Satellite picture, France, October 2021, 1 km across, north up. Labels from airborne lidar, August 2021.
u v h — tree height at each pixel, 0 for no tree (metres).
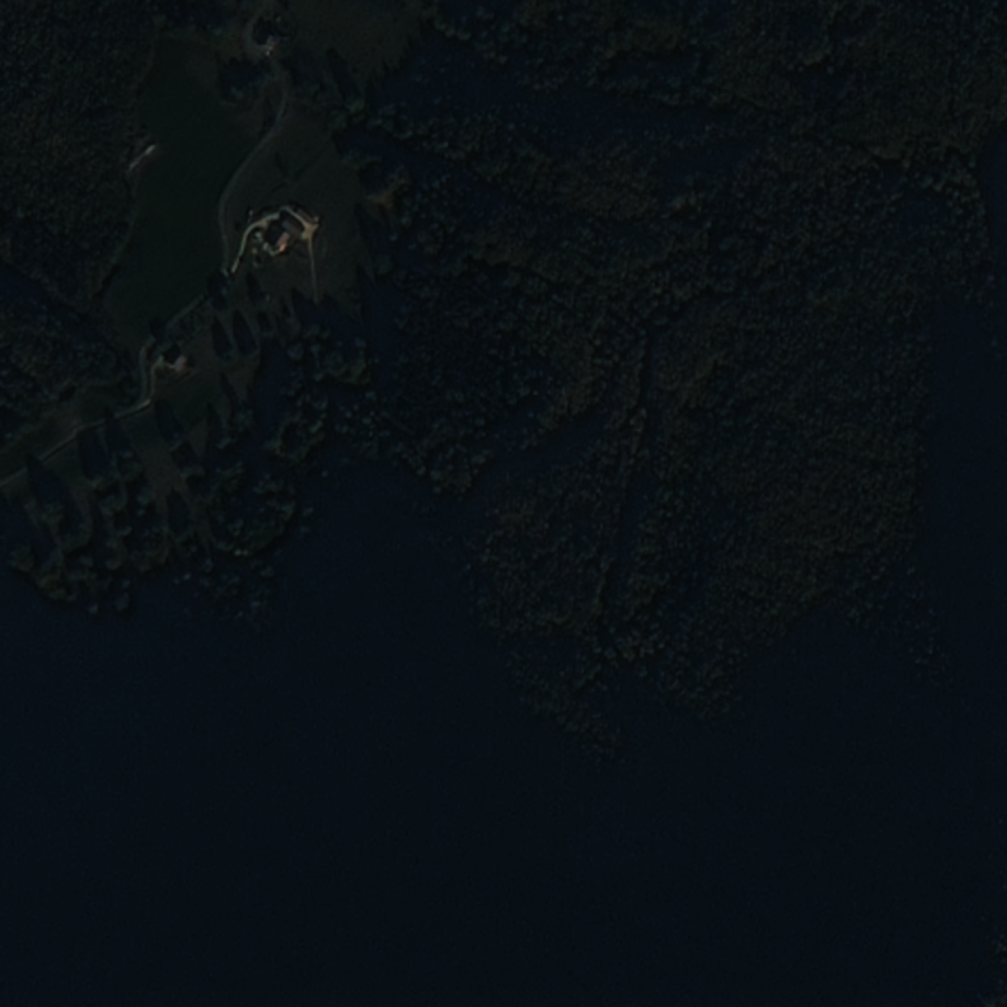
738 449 25
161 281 0
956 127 25
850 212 19
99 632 0
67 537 22
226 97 9
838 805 32
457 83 15
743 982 20
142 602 0
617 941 28
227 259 0
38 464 0
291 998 30
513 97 20
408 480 19
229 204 0
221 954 28
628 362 20
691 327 24
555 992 28
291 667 29
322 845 30
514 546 21
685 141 30
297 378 13
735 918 24
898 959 22
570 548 22
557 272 27
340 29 0
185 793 26
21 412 25
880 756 25
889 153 25
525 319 26
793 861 30
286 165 0
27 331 27
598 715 31
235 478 7
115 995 22
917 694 26
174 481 0
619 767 29
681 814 27
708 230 8
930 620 28
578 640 18
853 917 24
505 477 21
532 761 37
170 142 0
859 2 30
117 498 20
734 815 30
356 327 0
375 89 0
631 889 32
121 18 31
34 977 27
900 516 25
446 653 32
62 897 28
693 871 32
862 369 24
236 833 27
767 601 26
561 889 31
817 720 26
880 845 23
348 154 17
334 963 28
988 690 25
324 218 0
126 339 0
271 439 19
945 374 28
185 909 33
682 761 28
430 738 32
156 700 7
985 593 26
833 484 24
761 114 24
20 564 20
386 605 11
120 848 24
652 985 29
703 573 26
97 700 0
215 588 14
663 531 23
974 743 25
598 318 31
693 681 28
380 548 10
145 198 0
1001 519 25
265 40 0
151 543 19
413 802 32
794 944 19
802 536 24
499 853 25
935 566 28
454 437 27
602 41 26
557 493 28
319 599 24
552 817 28
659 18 29
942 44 25
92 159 32
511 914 34
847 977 19
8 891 28
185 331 7
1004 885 19
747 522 21
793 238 22
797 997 18
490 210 33
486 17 30
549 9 19
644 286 30
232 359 10
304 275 0
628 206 23
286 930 28
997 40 20
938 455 29
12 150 33
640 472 14
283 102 0
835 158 25
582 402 23
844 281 25
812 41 32
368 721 33
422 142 20
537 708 35
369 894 33
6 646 0
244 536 14
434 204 19
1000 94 28
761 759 31
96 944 30
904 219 17
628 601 27
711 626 24
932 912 22
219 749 28
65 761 8
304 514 18
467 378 27
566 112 24
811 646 24
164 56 0
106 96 31
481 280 20
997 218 27
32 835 17
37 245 25
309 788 25
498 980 31
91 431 0
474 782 34
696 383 23
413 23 0
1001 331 25
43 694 15
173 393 0
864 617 24
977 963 15
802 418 26
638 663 18
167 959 32
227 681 26
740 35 24
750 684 28
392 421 21
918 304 25
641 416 20
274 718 32
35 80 34
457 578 27
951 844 22
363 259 0
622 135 28
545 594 22
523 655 31
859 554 23
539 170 27
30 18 35
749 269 26
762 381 30
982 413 31
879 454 26
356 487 10
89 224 31
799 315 29
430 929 26
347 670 33
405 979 25
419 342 21
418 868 31
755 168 21
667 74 25
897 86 27
